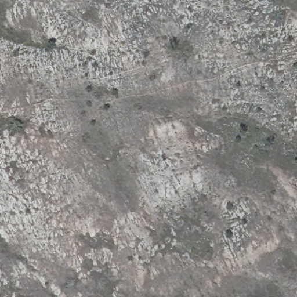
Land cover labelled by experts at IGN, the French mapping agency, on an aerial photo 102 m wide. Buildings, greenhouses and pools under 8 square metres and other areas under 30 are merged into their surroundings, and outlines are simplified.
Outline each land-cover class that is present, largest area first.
<instances>
[{"label":"bare soil","instance_id":"1","mask_svg":"<svg viewBox=\"0 0 297 297\"><path fill-rule=\"evenodd\" d=\"M0 2H6L5 27L29 31L32 42L36 43H43V36L56 39L55 48L45 51L0 38V117L17 116L16 122L19 123H23V119L30 121L26 129L28 139H24L20 133L9 136L8 130L3 131L5 139L0 137V234L9 245L10 251L19 253L28 260L23 265L21 261L8 259L6 256L0 259V283L14 282L16 287H19L20 277L24 274L32 280L41 282L45 289H51L57 297H95L94 292L87 291L85 294L78 292L75 296H65L59 287L65 282L66 276H74L77 273L79 280L86 284V276L94 271L100 273L101 269L97 266L99 260L102 263L108 262L115 280H121L114 289L113 297H211L220 296L215 288L220 287V281L224 276L242 273L259 280L268 278L269 284L276 285L284 297H297V179L294 176L287 178L282 169L275 167V201L271 204L266 203L265 196L258 193V189L238 187L232 175L219 174V167L216 164L204 165L203 161L196 158L200 155L204 158L212 148L224 144V140L217 133L200 128L195 122L200 115L202 121L216 122L227 113H240L255 118L260 122L258 126H265L280 135L289 132V142L294 139V131H297V0H0ZM173 37L189 41L193 45L195 56L190 57L188 63L167 57L165 44ZM193 197L197 202L196 208L205 207V210L213 211L217 215L211 223H201L205 230L215 236L210 244L213 252L211 261L193 260L188 253L161 254L158 246L152 244L150 237V232L158 224L165 223L171 226V232L175 236V230L180 229L184 223L180 218V209L193 208L190 202Z\"/></svg>","mask_w":297,"mask_h":297},{"label":"brushwood","instance_id":"2","mask_svg":"<svg viewBox=\"0 0 297 297\"><path fill-rule=\"evenodd\" d=\"M6 2H0V38L45 51L55 48L56 39L43 36V43H36L32 42L29 31L5 27ZM200 128L217 133L224 140V144L212 148L204 158L200 155L196 158L203 161L204 165L216 164L219 167V174L232 175L238 187L258 189V193L265 196L266 203L271 204L275 201V167L282 169L287 178L294 176L297 179V131H294V139L289 142V132L280 135L265 126H258L260 122L255 118L240 113H227L216 122L202 121L200 115L195 122ZM17 116L0 117V137L5 139L3 131L8 130L9 136L20 133L24 139H28L26 129L30 121L23 119V123H19L16 122Z\"/></svg>","mask_w":297,"mask_h":297},{"label":"herbaceous vegetation","instance_id":"3","mask_svg":"<svg viewBox=\"0 0 297 297\"><path fill-rule=\"evenodd\" d=\"M167 57L188 63L190 57L195 56L193 45L189 41L173 37L165 44ZM190 202L193 208L180 209V218L184 223L180 229L175 230V236L171 232V226L165 223L158 224L150 232V237L152 244L158 246L161 254L188 253L193 260L211 261L213 252L210 244L215 236L205 230L201 223H211L217 215L213 211L205 210V207L196 208L197 202L193 197ZM6 256L8 259L21 261L23 265L28 260L19 253L10 251L9 245L0 234V259ZM97 266L101 269L100 273L94 271L86 276V284L79 280L77 273L74 276H66L65 282L59 287L65 296H75L78 292L85 294L87 291L94 292L95 297H113L114 289L121 280H115L108 262L102 263L99 260ZM268 278L259 280L242 273L224 276L220 281V287L215 288L220 296L211 297H284L276 285L269 284ZM0 297H57L51 289H45L41 282L32 280L24 274L20 277L19 287H16L14 282L0 283Z\"/></svg>","mask_w":297,"mask_h":297}]
</instances>
